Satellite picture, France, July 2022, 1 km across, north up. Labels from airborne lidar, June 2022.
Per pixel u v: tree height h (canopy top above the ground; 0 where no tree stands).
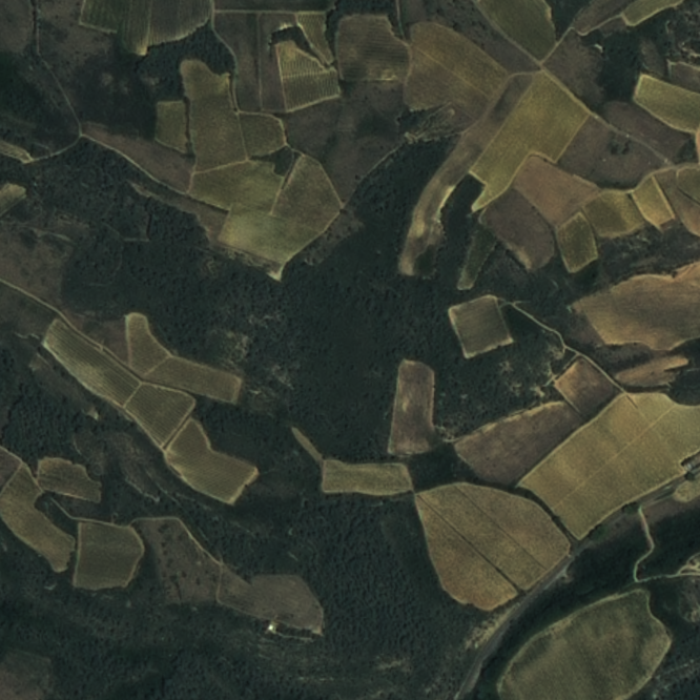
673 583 0
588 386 0
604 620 0
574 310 0
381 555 12
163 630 12
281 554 7
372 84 0
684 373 6
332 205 0
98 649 15
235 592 0
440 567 0
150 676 6
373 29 0
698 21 7
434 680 9
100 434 12
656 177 0
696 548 15
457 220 0
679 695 7
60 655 8
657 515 0
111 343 0
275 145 0
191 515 9
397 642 9
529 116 0
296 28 8
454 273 0
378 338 9
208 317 6
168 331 10
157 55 14
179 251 6
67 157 7
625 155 0
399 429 0
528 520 0
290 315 9
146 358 0
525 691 0
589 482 0
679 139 0
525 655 0
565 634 0
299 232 0
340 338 0
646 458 0
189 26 0
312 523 10
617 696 0
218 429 12
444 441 0
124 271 6
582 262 0
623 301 0
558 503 0
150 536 0
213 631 7
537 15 0
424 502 0
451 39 0
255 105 0
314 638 9
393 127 0
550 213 0
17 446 13
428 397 0
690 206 0
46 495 9
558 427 0
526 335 8
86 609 9
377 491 0
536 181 0
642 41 0
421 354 7
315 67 0
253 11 0
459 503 0
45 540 0
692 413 0
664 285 0
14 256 0
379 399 10
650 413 0
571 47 0
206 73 0
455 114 0
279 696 14
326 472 0
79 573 0
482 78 0
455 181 0
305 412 7
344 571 13
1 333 0
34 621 7
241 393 0
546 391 10
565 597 14
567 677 0
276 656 0
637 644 0
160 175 0
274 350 8
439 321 11
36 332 0
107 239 7
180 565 0
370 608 10
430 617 6
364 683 0
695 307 0
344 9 12
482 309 0
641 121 0
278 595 0
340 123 0
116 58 6
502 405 6
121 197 8
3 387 12
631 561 7
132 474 0
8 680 0
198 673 9
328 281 9
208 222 0
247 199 0
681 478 0
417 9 0
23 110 9
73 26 0
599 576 11
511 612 0
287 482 0
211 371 0
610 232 0
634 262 0
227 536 9
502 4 0
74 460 11
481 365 6
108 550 0
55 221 0
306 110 0
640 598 0
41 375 0
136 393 0
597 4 0
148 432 0
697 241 0
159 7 0
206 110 0
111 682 10
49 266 0
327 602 10
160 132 0
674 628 6
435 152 7
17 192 0
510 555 0
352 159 0
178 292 6
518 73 0
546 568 0
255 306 11
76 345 0
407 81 0
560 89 0
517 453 0
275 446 7
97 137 0
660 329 0
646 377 0
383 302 6
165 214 11
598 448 0
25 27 0
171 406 0
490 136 0
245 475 0
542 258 0
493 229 0
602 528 16
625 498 0
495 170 0
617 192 0
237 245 0
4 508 0
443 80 0
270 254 0
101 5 0
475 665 0
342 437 11
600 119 0
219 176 0
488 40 0
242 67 0
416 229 0
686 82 0
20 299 0
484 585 0
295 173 0
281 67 0
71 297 0
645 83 0
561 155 0
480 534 0
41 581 7
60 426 8
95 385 0
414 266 0
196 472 0
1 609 11
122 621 8
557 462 0
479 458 0
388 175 8
